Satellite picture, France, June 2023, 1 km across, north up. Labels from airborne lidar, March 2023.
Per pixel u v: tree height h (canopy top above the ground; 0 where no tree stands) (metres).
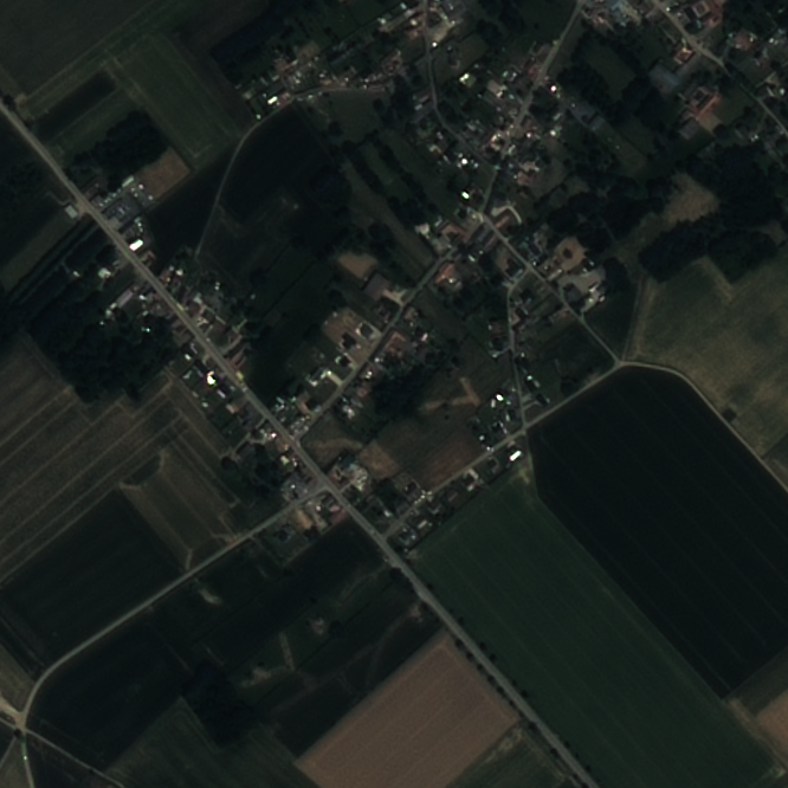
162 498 0
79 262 13
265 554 0
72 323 22
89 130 0
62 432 0
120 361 18
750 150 9
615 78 0
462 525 0
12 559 0
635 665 0
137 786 0
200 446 0
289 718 0
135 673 0
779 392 0
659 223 0
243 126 0
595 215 17
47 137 0
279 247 0
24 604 0
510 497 0
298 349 0
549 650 0
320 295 0
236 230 0
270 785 0
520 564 0
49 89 0
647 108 24
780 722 0
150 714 0
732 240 12
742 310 0
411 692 0
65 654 0
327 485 0
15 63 0
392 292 0
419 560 0
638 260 0
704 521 0
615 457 0
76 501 0
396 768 0
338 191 25
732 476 0
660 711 0
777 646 0
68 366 17
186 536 0
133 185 0
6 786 0
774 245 11
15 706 0
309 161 0
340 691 0
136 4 0
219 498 0
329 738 0
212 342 0
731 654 0
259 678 0
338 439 0
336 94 0
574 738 0
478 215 0
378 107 13
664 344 0
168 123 0
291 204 0
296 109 0
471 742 0
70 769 0
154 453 0
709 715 0
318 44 0
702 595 0
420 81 11
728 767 0
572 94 0
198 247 0
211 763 0
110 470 0
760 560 0
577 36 0
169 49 0
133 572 0
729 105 0
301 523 0
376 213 0
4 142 0
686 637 0
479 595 0
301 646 0
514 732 0
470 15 0
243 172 0
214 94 0
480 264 14
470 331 0
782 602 0
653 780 0
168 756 0
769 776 0
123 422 0
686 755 0
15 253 0
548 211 0
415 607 0
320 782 0
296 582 0
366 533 0
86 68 0
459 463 0
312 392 0
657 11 0
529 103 0
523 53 0
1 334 17
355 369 0
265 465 8
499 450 0
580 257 0
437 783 0
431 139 0
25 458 0
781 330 0
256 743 0
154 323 19
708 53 0
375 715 0
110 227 0
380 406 22
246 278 0
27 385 0
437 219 0
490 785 0
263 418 0
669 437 0
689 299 0
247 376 0
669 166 0
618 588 0
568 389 10
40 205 0
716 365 0
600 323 0
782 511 0
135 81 0
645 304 0
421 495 0
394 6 0
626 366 0
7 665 0
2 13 0
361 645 0
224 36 0
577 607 0
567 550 0
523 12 0
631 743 0
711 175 20
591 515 0
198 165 0
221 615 0
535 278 0
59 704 0
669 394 0
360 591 0
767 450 0
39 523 0
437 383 0
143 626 0
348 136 0
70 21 0
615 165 6
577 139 0
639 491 0
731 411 0
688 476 0
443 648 0
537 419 0
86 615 0
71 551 0
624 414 0
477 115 0
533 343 0
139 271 0
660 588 0
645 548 0
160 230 0
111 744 0
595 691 0
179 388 0
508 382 0
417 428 0
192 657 0
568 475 0
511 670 0
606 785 0
